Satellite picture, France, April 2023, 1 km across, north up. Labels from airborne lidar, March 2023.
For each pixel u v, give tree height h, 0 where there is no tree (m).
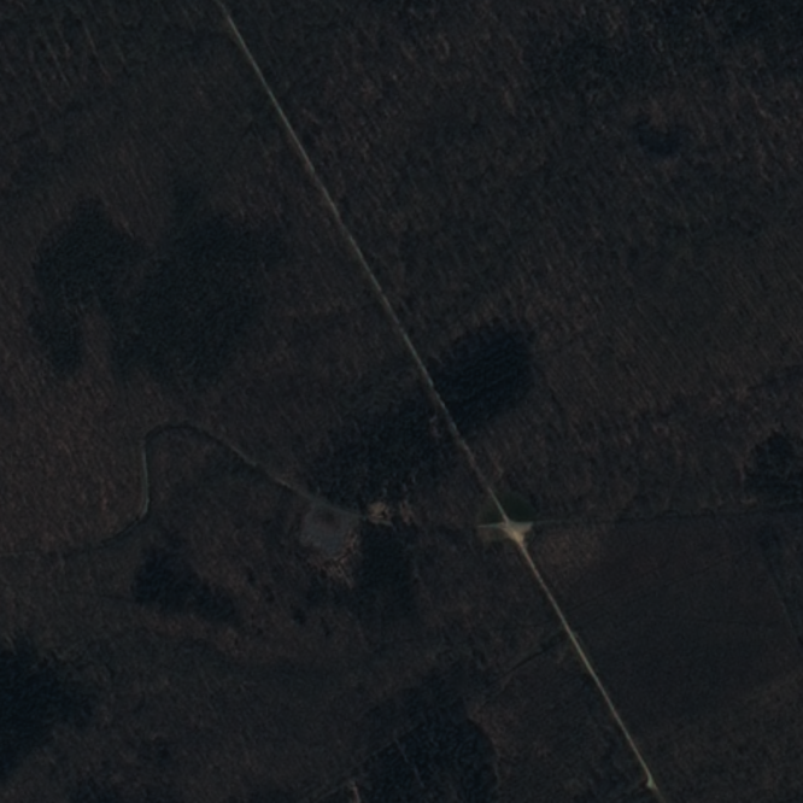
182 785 21
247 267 16
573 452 30
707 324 15
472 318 13
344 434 21
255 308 18
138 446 18
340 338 27
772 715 16
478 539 23
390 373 19
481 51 24
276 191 21
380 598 10
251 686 20
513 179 26
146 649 22
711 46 20
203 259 20
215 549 17
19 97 32
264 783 13
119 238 16
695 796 17
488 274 28
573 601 15
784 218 14
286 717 18
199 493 17
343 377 23
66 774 19
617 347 17
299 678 20
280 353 16
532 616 20
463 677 11
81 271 10
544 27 23
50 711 26
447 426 20
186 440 17
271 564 13
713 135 27
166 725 21
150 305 18
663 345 15
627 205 29
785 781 14
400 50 24
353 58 26
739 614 14
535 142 21
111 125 21
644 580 16
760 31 15
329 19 23
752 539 14
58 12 15
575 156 26
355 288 24
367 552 12
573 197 26
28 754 22
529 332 20
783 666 16
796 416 24
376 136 27
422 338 24
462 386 23
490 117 25
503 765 7
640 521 15
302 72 26
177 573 22
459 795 19
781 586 26
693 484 27
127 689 21
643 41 24
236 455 6
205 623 22
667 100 23
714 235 20
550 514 15
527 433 27
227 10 21
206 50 21
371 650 16
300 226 25
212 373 16
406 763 20
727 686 16
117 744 22
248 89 22
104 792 20
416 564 11
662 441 26
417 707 12
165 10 24
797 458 15
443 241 25
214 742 17
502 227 27
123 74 23
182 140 21
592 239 30
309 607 11
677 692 19
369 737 17
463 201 27
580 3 24
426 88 27
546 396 25
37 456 18
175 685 21
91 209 17
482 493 31
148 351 18
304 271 24
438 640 19
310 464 20
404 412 21
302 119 19
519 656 23
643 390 17
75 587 20
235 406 20
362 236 20
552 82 21
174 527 17
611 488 18
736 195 23
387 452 17
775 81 22
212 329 13
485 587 26
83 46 26
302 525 0
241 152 22
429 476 22
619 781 24
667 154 26
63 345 14
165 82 22
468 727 25
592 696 15
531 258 28
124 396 18
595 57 20
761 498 12
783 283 14
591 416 16
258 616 16
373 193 25
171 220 20
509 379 24
